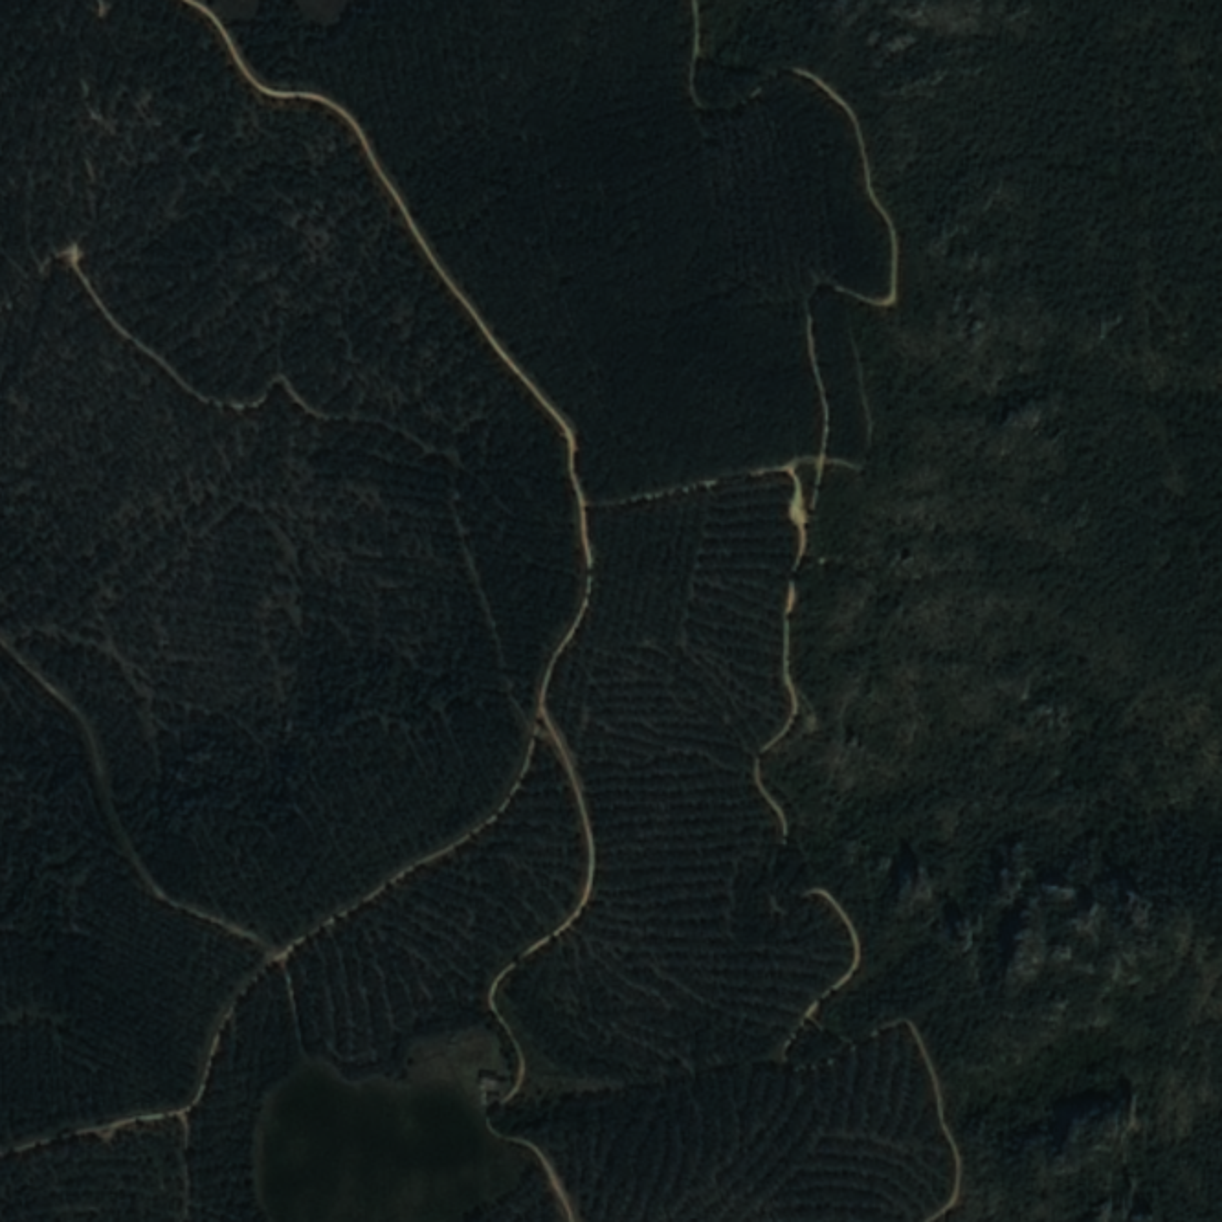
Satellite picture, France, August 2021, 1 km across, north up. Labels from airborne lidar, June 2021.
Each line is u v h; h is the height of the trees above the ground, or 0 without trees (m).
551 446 10
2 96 8
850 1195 10
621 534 11
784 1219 10
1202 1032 8
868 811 7
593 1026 10
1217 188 7
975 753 7
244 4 0
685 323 14
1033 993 8
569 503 10
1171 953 9
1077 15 8
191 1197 7
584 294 9
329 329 8
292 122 11
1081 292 5
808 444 7
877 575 10
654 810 10
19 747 10
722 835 10
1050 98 10
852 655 7
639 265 12
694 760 11
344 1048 14
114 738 10
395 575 9
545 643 8
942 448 6
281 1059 15
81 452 9
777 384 13
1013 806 9
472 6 10
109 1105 10
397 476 10
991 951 14
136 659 7
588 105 13
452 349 9
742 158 17
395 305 11
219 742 6
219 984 8
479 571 6
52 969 16
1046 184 12
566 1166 10
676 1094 17
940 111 8
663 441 10
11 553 9
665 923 12
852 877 9
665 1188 11
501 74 9
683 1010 11
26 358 10
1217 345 8
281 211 8
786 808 7
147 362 12
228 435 10
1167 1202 13
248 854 9
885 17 8
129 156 10
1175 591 7
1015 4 6
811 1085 11
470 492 12
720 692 12
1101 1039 11
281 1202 0
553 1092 6
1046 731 7
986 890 12
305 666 10
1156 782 8
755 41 9
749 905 11
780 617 9
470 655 8
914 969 9
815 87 7
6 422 11
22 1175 8
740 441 9
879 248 9
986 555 6
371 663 7
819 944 11
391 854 7
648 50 12
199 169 10
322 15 0
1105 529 8
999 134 9
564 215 12
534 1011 16
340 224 7
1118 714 13
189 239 7
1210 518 9
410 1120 0
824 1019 8
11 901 8
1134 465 7
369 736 9
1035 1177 8
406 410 10
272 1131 0
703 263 13
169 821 11
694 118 14
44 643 8
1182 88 6
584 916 9
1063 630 8
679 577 8
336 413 10
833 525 6
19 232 10
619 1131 13
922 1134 9
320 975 12
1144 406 7
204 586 8
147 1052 11
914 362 6
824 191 9
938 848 10
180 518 11
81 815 11
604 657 8
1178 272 8
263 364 9
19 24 11
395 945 12
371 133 8
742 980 10
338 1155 0
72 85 11
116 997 11
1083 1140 8
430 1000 13
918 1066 8
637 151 12
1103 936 7
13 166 11
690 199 12
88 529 8
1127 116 8
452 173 17
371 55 12
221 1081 11
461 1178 0
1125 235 8
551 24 9
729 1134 12
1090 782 10
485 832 8
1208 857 7
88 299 11
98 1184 8
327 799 9
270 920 10
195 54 9
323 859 8
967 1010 9
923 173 8
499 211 12
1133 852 14
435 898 11
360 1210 0
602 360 11
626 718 10
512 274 12
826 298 14
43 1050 11
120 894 9
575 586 13
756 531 11
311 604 12
